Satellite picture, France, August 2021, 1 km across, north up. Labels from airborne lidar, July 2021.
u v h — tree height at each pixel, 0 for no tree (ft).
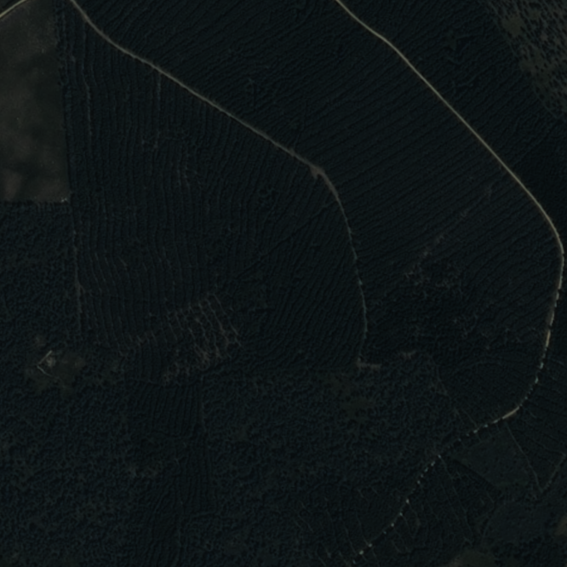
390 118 45
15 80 0
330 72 58
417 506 59
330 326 54
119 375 22
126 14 31
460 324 32
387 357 51
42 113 0
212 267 57
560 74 33
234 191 37
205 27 23
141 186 52
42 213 40
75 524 54
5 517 38
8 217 31
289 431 53
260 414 50
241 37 37
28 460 39
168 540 57
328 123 47
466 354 44
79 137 63
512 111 53
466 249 45
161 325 48
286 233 63
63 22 37
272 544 26
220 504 39
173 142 44
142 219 52
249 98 48
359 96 37
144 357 46
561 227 39
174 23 45
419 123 52
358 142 37
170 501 50
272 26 48
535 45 49
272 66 39
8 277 27
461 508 68
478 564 0
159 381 45
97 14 42
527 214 47
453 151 40
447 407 45
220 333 41
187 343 33
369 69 42
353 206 48
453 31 78
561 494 34
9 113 0
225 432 31
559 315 43
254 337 62
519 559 61
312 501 60
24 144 0
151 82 47
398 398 47
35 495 36
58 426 39
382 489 47
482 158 47
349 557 42
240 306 30
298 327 57
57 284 41
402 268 61
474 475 63
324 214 45
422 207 38
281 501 50
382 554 56
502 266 48
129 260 45
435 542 55
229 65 36
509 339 39
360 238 57
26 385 29
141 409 61
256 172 48
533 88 26
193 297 59
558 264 43
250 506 48
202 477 55
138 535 37
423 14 51
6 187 0
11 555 30
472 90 60
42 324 41
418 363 43
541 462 52
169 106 54
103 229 50
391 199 48
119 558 38
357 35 65
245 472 51
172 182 45
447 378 44
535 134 75
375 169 44
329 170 44
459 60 69
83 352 27
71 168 45
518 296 52
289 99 46
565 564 41
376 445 47
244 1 48
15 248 37
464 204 30
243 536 33
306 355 40
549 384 40
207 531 36
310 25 64
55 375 0
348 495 51
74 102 51
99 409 60
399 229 54
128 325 37
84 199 43
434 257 46
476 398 63
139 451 48
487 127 51
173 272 47
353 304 51
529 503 46
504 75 60
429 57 51
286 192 51
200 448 56
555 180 55
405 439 68
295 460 60
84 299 46
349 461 46
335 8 55
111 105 44
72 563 0
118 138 44
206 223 53
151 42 40
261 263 37
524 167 41
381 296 41
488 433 57
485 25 78
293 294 66
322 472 46
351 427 44
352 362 54
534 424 51
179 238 50
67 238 32
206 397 46
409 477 58
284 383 50
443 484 71
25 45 0
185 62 42
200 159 57
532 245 47
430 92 39
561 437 40
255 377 24
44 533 40
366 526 49
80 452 47
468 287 38
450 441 46
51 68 0
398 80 47
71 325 37
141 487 45
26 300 52
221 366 52
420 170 41
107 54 41
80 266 41
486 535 22
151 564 53
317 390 45
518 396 51
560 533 0
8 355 20
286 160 42
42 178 0
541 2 49
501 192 45
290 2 62
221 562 55
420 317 45
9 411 58
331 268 54
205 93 51
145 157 47
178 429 56
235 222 53
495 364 45
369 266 52
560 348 40
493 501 47
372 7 66
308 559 46
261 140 39
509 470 23
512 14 51
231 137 41
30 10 0
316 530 59
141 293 47
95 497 52
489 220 37
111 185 54
